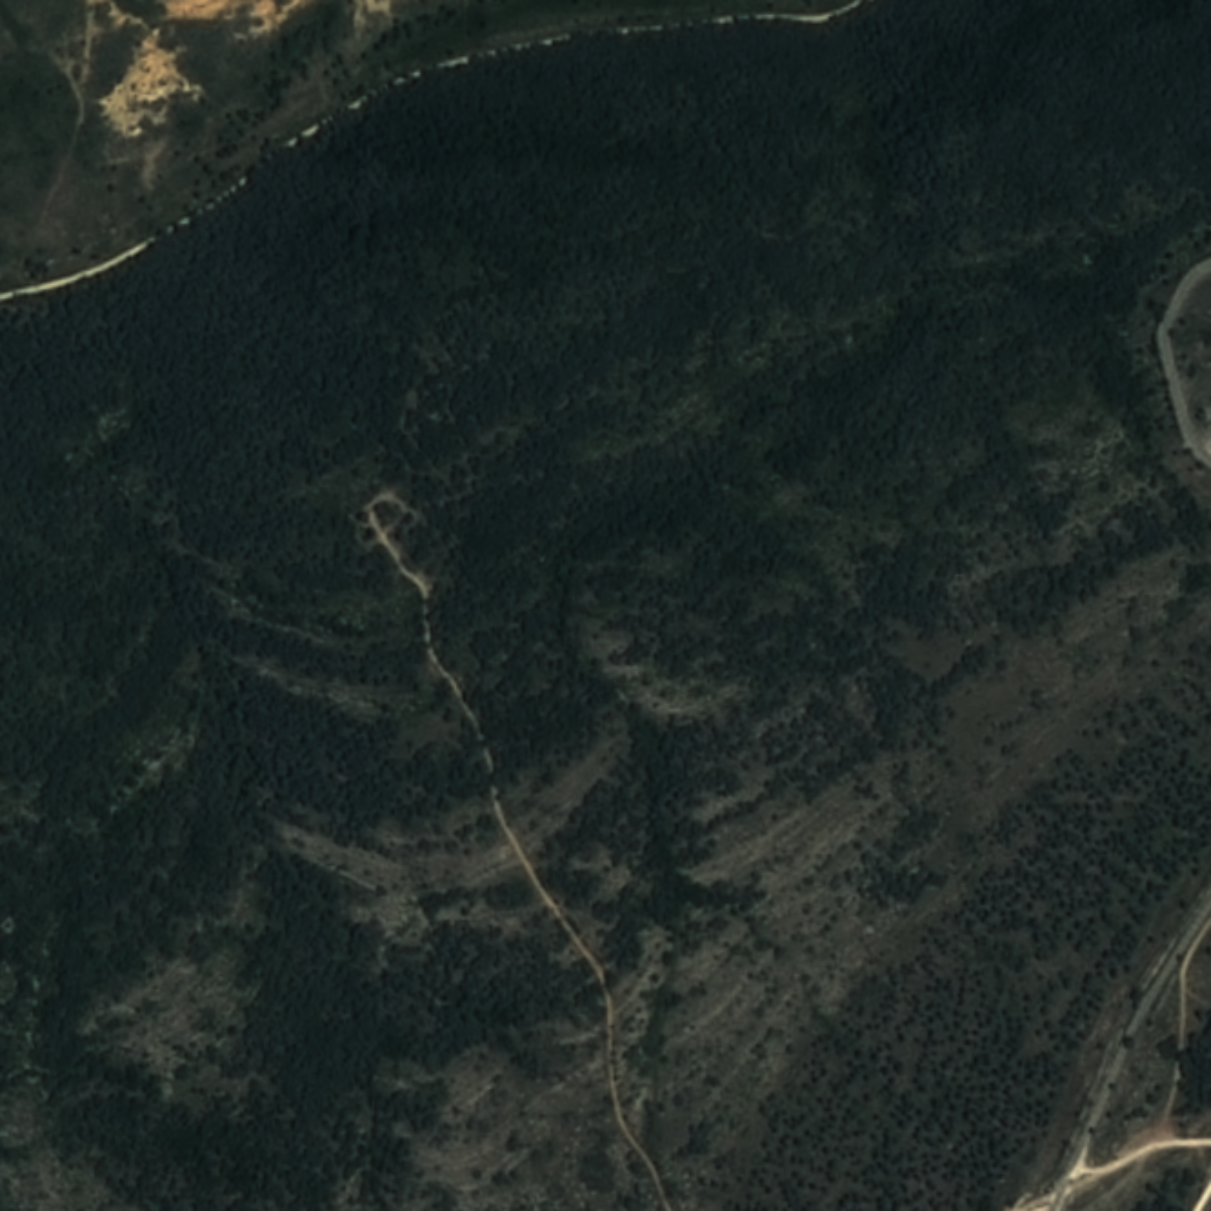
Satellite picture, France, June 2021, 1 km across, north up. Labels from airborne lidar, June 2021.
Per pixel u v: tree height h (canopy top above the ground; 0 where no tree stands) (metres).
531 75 8
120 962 7
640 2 0
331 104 0
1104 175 9
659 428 7
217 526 11
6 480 10
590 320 7
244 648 11
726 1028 0
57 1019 6
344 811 10
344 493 0
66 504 10
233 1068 6
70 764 7
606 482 8
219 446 9
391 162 8
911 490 7
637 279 9
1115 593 0
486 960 9
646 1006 0
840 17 11
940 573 7
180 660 6
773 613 6
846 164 8
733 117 12
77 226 0
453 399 7
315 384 9
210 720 9
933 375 7
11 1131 0
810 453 7
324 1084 8
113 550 9
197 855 8
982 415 9
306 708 7
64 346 13
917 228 11
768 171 8
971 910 9
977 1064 10
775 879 0
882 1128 7
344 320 8
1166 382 7
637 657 7
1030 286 12
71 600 6
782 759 7
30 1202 0
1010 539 8
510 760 8
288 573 8
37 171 0
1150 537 9
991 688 0
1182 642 0
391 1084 0
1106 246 6
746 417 7
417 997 10
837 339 11
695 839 7
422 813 9
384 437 7
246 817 14
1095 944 9
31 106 0
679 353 8
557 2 0
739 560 8
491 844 0
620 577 7
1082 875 11
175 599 12
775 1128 7
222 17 0
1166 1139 0
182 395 12
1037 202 7
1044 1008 7
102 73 0
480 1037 7
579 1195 0
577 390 7
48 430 10
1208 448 0
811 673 7
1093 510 0
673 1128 0
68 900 9
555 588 6
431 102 8
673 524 10
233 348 11
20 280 0
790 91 10
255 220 11
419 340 8
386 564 10
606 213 8
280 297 9
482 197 9
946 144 9
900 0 11
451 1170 0
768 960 0
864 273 10
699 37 11
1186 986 0
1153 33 11
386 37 10
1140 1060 0
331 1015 9
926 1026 8
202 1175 9
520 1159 0
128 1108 7
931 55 6
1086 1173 0
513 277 7
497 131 9
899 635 10
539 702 7
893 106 7
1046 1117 6
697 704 0
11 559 9
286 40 8
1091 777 9
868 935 0
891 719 10
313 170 11
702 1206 0
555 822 0
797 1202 9
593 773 0
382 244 8
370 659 7
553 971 8
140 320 12
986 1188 10
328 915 9
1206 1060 10
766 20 14
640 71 10
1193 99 9
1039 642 0
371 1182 9
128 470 7
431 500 9
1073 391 0
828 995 0
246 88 0
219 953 0
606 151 9
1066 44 9
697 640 7
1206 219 10
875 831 0
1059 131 7
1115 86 11
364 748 12
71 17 0
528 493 8
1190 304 0
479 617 6
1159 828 11
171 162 0
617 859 6
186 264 13
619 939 8
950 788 0
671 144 7
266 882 8
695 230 8
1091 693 0
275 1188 10
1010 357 9
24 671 7
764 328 8
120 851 8
